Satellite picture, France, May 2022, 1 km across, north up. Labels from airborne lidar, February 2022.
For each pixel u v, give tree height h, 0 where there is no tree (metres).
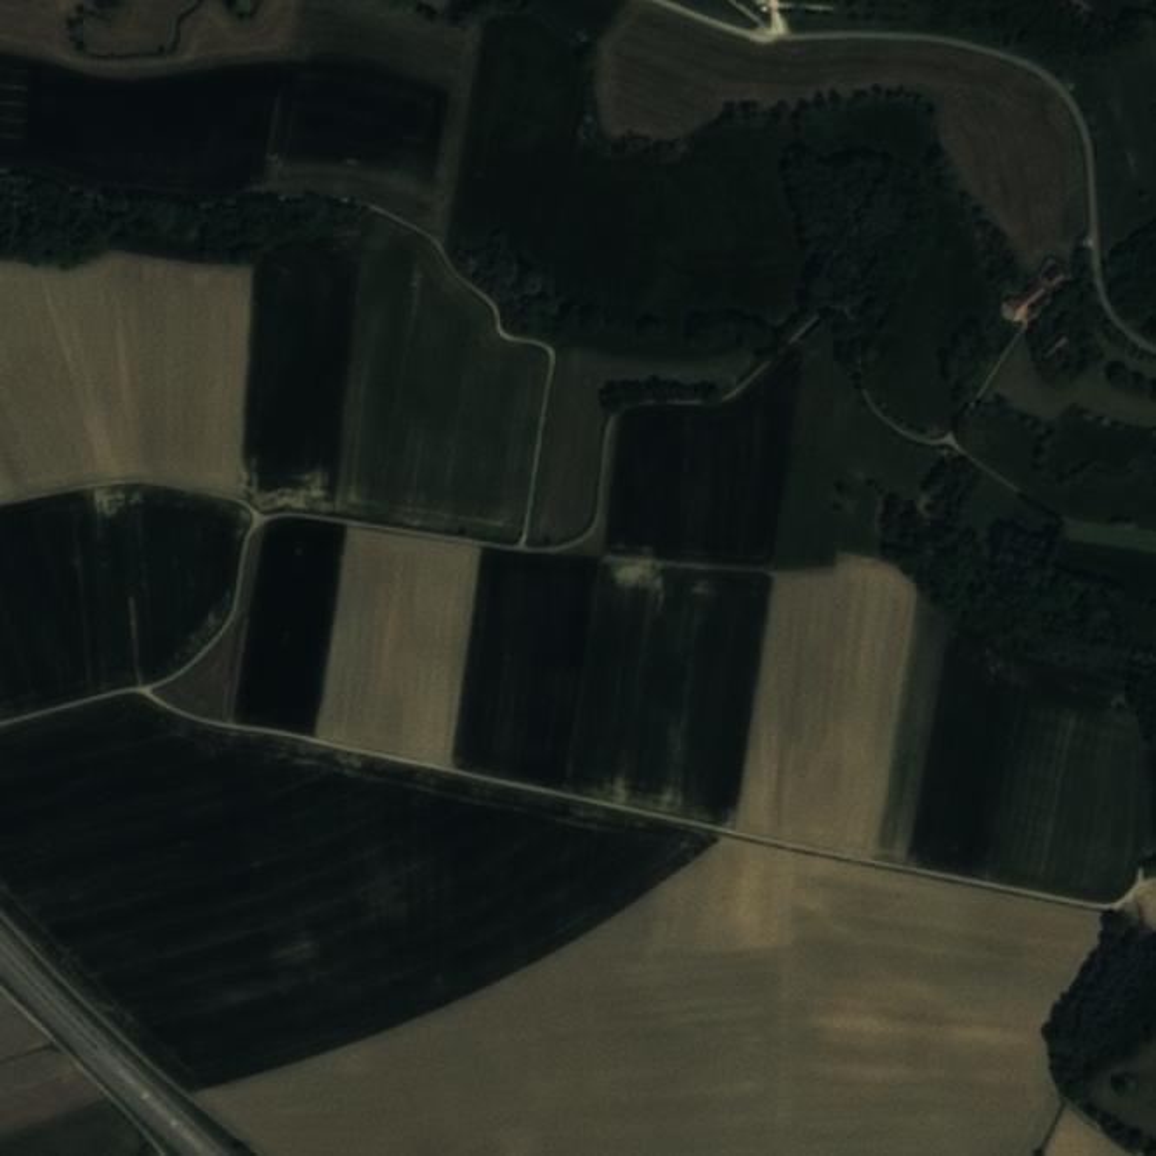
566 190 0
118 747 0
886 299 18
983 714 0
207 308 0
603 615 0
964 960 0
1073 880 0
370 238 0
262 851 0
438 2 0
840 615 0
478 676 0
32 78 0
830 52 0
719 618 0
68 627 0
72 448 0
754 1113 0
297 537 0
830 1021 0
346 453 0
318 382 0
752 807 0
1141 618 0
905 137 0
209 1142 0
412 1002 0
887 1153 0
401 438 0
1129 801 0
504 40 0
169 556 0
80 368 0
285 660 0
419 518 0
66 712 0
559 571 0
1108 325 15
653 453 0
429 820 0
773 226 0
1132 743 0
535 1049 0
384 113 0
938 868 0
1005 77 0
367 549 0
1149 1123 0
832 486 0
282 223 15
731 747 0
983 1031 0
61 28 0
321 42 0
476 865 0
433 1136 0
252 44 0
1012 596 30
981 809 0
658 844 0
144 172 0
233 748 0
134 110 0
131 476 0
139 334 0
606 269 0
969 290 0
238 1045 0
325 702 0
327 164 0
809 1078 0
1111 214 0
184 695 0
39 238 20
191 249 0
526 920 0
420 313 0
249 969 0
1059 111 0
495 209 0
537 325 18
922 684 0
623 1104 0
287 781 0
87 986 0
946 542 21
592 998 0
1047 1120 0
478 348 0
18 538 0
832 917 0
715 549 0
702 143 0
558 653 0
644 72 0
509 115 0
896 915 0
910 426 6
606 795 0
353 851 0
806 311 11
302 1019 0
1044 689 0
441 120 0
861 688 0
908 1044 0
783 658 0
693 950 0
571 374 0
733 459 0
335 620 0
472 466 0
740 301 0
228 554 0
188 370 0
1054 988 0
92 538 0
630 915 0
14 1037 0
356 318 0
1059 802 0
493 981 0
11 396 0
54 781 0
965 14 8
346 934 0
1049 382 0
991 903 0
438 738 0
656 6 0
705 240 0
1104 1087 0
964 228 0
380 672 0
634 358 0
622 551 0
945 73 0
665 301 0
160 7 0
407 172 0
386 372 0
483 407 0
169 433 0
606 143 9
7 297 0
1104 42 22
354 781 0
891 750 0
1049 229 0
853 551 0
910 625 0
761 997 0
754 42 0
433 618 0
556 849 0
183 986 0
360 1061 0
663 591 0
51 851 0
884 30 0
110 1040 0
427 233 0
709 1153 0
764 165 0
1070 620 23
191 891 0
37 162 0
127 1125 0
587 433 0
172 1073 0
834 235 16
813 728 0
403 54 0
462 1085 0
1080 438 0
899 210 11
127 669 0
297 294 0
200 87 0
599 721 0
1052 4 13
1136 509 0
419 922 0
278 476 0
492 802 0
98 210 13
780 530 0
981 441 0
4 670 0
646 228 0
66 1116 0
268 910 0
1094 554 0
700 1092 0
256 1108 0
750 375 0
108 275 0
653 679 0
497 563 0
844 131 0
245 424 0
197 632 0
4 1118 0
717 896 0
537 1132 0
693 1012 0
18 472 0
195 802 0
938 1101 0
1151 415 0
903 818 0
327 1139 0
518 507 0
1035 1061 0
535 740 0
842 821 0
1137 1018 22
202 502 0
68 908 0
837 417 0
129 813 0
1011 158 0
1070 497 0
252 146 0
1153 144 0
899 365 0
